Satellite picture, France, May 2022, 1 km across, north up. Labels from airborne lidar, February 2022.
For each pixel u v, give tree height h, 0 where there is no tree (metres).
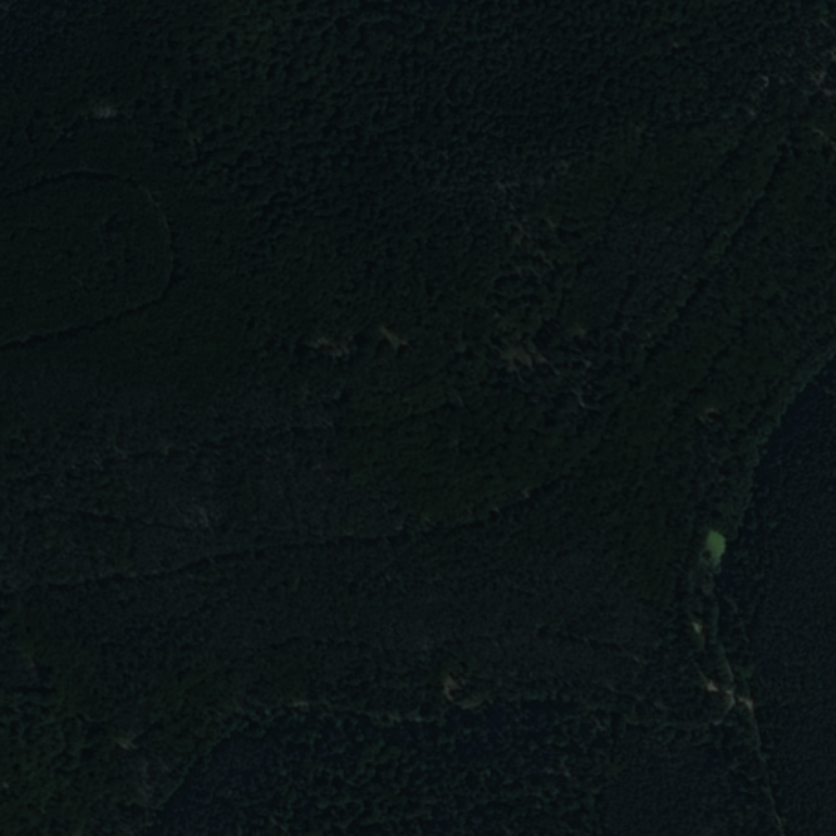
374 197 28
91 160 16
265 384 21
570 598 24
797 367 23
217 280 18
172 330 18
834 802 23
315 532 19
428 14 34
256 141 28
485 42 27
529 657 27
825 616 23
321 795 37
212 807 31
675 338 30
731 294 27
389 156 28
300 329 26
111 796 33
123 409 16
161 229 17
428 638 25
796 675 22
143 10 19
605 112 25
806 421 29
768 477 33
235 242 20
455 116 25
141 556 23
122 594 24
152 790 23
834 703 21
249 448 23
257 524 24
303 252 25
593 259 19
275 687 20
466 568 23
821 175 24
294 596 22
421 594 28
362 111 27
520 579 31
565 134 23
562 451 28
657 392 27
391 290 24
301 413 26
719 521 25
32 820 29
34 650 31
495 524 22
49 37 18
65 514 21
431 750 36
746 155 27
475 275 24
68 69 21
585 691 39
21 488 27
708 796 25
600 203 20
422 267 23
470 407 28
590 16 26
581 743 9
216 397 26
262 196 27
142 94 23
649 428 27
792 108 27
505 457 30
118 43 19
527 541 24
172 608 26
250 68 30
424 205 22
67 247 13
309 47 26
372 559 24
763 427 20
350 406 19
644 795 22
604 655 22
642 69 27
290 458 27
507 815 18
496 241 22
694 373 23
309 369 20
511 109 24
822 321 28
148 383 22
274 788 31
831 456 28
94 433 23
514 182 13
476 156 27
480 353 27
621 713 25
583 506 26
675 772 17
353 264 25
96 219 16
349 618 20
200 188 19
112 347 17
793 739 17
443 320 19
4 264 13
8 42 14
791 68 29
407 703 28
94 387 20
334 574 25
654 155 17
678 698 30
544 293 34
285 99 28
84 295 15
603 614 20
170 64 26
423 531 16
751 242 25
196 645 22
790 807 24
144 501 26
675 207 21
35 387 20
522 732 9
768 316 27
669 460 25
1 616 32
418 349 19
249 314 21
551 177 13
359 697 28
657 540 24
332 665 28
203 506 27
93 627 26
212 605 20
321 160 33
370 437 23
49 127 10
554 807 18
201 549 23
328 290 20
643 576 28
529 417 29
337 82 25
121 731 25
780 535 23
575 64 26
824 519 24
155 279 17
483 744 39
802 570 23
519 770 35
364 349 20
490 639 25
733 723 24
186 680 22
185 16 20
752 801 33
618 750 17
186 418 25
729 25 24
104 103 11
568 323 9
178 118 26
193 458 21
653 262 27
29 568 23
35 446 26
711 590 0
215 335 18
